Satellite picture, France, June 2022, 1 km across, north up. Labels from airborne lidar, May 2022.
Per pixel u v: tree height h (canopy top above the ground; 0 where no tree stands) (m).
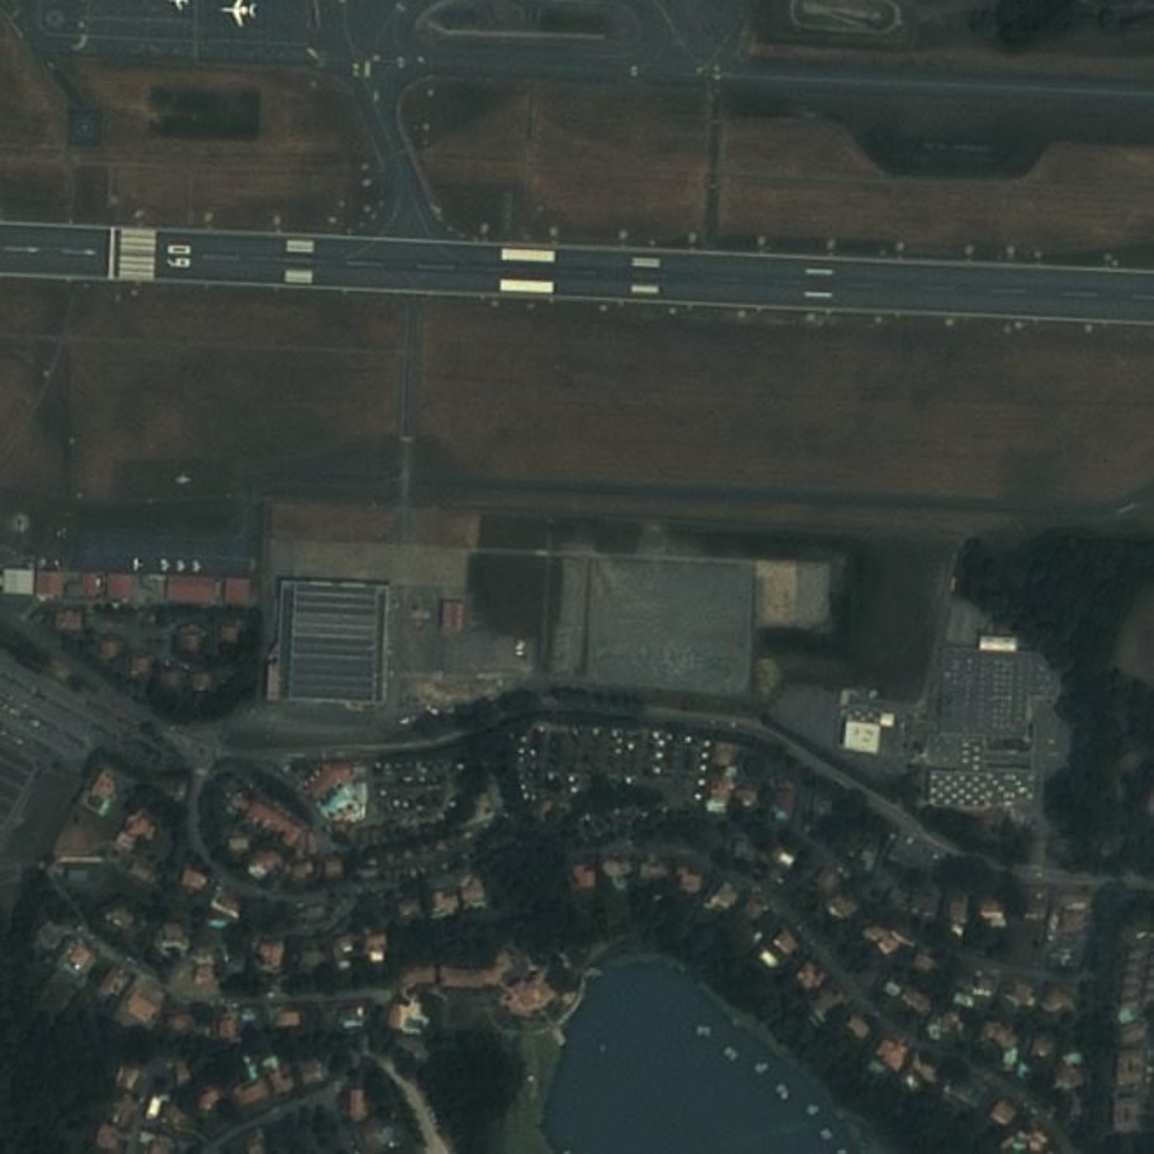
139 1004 0
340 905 14
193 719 8
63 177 0
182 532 0
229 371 0
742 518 0
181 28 0
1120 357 0
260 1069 8
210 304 0
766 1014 24
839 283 0
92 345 0
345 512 0
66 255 0
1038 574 13
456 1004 0
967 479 0
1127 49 0
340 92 0
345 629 0
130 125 0
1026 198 0
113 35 0
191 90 0
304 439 0
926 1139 12
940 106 0
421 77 0
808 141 0
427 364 0
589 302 0
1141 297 0
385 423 0
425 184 0
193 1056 16
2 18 0
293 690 0
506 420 0
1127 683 21
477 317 0
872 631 0
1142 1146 22
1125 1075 0
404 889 14
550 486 0
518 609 0
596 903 8
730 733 9
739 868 19
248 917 24
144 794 16
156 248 0
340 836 14
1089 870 17
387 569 0
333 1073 14
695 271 0
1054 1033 9
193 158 0
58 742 0
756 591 0
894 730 0
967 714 0
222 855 14
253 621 6
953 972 17
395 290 0
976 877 23
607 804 22
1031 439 0
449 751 12
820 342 0
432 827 9
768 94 0
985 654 0
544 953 24
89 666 7
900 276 0
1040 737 0
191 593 0
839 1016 18
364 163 0
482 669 0
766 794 11
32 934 10
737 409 0
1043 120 0
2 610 0
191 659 7
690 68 0
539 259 0
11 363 0
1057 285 0
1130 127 0
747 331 0
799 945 11
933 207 0
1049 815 16
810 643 0
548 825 11
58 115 0
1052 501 0
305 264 0
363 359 0
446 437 0
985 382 0
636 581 0
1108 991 26
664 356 0
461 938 10
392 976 8
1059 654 28
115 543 0
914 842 0
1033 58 0
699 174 0
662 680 0
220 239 0
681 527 0
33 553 0
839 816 17
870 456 0
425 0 0
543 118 0
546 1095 0
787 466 0
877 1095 16
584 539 0
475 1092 20
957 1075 24
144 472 0
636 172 0
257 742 0
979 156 0
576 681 0
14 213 0
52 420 0
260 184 0
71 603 0
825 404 0
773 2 0
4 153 0
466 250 0
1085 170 0
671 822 15
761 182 0
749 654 0
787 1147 0
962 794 0
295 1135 26
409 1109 15
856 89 0
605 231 0
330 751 0
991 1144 12
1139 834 18
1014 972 0
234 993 15
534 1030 0
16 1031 23
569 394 0
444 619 0
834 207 0
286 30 0
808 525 0
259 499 0
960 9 0
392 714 0
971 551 10
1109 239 0
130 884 0
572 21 0
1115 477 0
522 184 0
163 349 0
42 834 0
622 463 0
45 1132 11
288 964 16
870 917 18
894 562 0
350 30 0
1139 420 0
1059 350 0
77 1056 25
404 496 0
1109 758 20
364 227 0
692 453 0
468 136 0
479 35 0
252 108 0
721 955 12
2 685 0
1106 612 19
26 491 0
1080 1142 18
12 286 0
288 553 0
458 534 0
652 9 0
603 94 0
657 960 0
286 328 0
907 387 0
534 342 0
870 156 0
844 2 0
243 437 0
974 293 0
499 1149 0
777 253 0
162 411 0
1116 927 9
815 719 0
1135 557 16
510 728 12
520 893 36
